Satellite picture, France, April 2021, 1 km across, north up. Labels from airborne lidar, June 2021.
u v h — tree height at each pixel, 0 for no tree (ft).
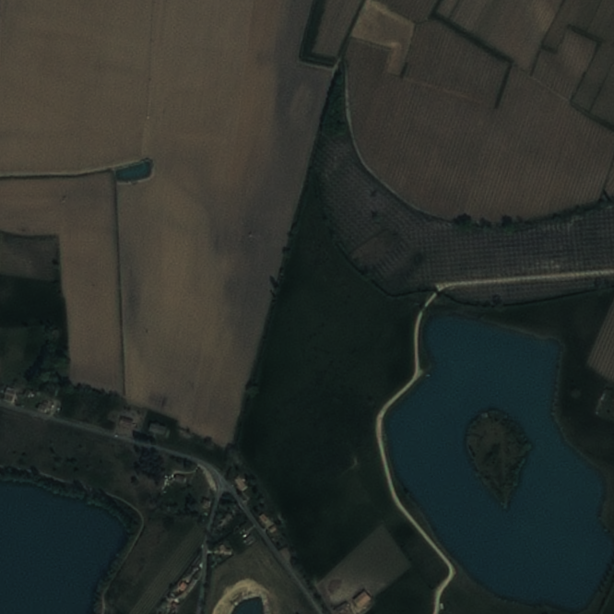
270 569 0
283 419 0
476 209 0
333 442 0
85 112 0
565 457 0
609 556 0
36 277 0
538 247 69
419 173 0
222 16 0
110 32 0
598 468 0
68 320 0
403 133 0
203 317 0
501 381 0
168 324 0
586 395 0
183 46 0
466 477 0
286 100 0
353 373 0
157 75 0
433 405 0
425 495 0
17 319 0
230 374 0
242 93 0
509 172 0
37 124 0
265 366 0
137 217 0
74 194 0
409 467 0
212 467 0
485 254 77
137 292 0
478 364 0
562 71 0
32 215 0
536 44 0
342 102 47
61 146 0
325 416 0
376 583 0
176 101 0
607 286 59
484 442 0
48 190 0
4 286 0
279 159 0
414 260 0
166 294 0
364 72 0
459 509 0
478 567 0
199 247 0
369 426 0
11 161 0
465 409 0
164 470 48
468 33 0
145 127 0
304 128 0
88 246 0
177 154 0
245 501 0
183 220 0
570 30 0
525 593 0
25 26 0
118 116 0
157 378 0
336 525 0
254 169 0
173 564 0
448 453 0
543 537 0
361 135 0
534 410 0
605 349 0
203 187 0
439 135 0
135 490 0
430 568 0
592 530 0
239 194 0
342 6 0
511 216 0
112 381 0
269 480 0
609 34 0
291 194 0
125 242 0
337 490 0
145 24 0
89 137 0
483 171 0
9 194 0
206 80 0
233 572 0
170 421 0
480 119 0
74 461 25
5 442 0
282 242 0
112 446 0
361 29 0
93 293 0
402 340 0
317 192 21
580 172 0
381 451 0
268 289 0
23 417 0
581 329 0
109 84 0
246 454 0
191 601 0
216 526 19
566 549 0
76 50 0
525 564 0
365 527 0
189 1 0
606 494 0
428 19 0
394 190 0
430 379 0
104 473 0
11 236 0
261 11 0
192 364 0
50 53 0
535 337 0
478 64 0
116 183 0
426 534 0
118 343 0
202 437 0
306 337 0
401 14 0
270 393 0
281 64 0
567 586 0
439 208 0
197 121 0
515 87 0
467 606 0
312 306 0
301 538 0
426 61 0
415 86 0
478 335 0
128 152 0
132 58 0
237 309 0
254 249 0
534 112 0
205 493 0
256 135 0
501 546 0
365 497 0
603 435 0
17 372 0
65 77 0
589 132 0
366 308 0
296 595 0
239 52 0
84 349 0
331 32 0
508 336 0
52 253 0
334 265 0
